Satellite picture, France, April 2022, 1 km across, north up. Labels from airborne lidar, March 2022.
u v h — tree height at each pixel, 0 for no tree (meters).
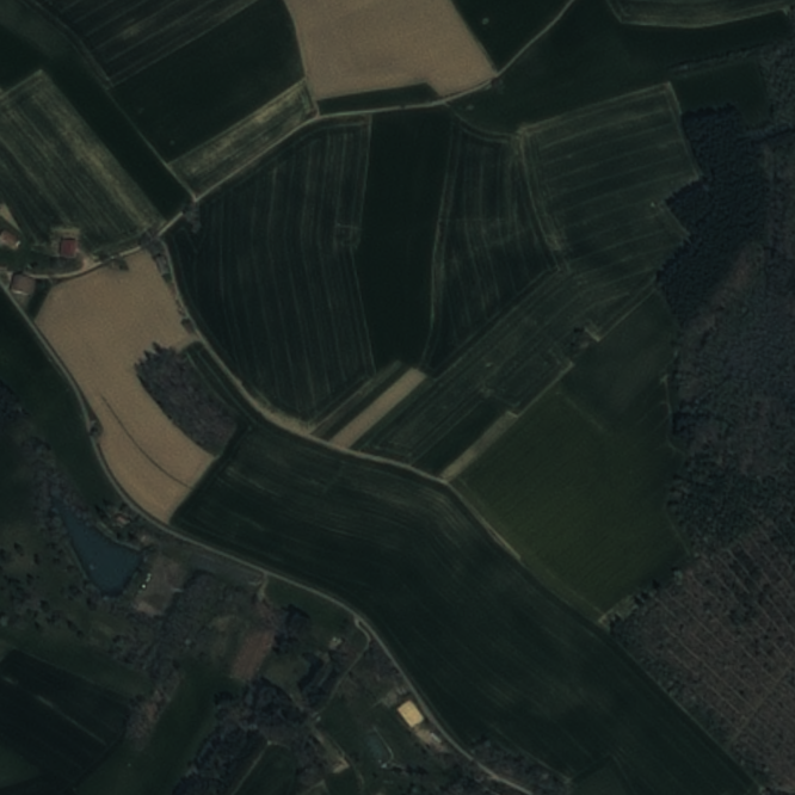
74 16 0
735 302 15
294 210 0
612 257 0
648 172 0
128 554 0
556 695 0
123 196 0
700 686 13
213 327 0
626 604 0
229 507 0
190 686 0
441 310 0
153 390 17
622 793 0
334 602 0
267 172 0
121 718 0
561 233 0
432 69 0
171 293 0
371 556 0
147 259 0
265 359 0
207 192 0
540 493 0
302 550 0
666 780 0
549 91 0
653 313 0
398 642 0
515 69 0
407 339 0
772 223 23
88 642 0
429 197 0
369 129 0
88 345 0
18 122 0
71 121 0
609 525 0
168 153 0
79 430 0
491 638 0
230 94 0
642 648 8
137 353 0
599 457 0
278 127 0
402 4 0
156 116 0
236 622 0
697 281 23
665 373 0
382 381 0
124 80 0
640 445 0
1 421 31
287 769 0
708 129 22
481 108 0
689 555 0
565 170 0
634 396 0
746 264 28
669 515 0
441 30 0
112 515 9
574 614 0
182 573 0
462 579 0
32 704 0
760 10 0
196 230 7
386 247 0
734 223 25
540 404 0
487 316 0
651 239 0
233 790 13
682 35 0
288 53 0
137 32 0
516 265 0
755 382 12
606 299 0
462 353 0
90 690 0
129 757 0
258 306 0
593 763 0
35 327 0
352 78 0
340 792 0
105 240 0
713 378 18
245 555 0
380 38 0
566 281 0
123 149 0
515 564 0
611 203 0
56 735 0
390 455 0
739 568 7
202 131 0
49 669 0
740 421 17
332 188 0
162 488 0
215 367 0
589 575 0
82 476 0
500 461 0
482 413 0
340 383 0
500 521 0
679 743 0
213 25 0
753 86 0
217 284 0
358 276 0
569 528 0
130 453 0
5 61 0
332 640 0
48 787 0
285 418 0
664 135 0
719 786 0
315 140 0
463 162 0
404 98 0
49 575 0
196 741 0
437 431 0
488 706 0
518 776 19
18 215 0
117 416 0
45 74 0
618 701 0
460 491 0
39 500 7
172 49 0
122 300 0
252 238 0
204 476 0
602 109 0
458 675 0
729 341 15
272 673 0
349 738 0
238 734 20
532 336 0
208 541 0
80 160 0
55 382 0
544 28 0
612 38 0
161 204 0
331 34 0
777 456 15
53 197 0
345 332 0
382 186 0
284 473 0
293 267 0
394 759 0
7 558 14
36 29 0
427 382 0
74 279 0
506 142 0
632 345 0
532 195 0
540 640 0
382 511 0
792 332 7
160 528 0
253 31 0
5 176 0
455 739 0
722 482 12
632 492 0
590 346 0
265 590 0
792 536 9
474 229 0
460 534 0
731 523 7
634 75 0
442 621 0
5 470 0
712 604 6
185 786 0
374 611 0
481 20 0
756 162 26
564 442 0
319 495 0
